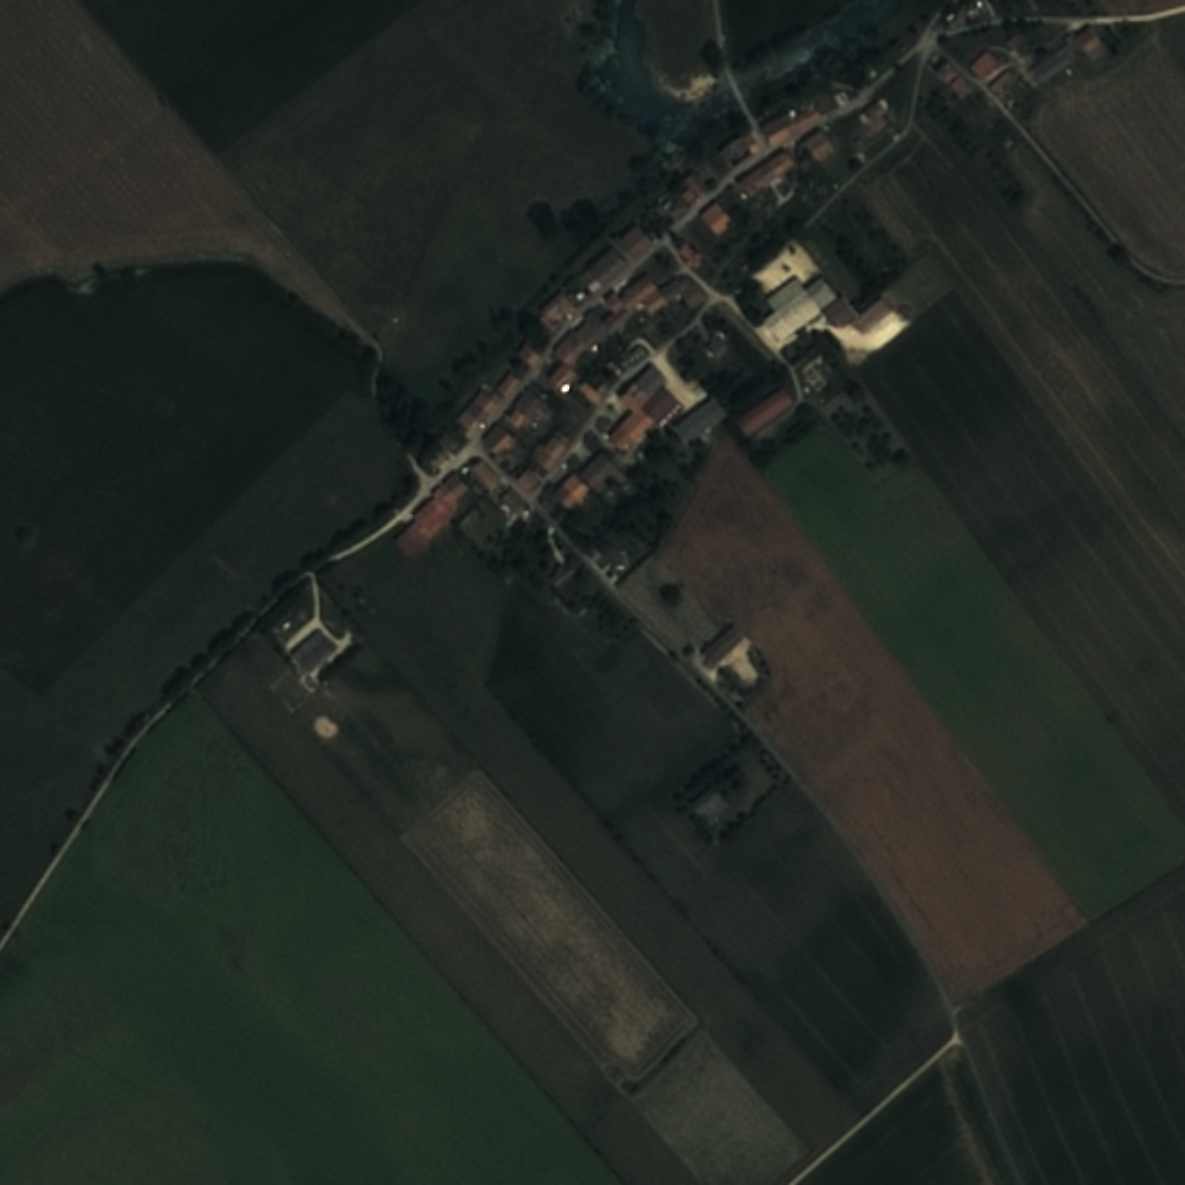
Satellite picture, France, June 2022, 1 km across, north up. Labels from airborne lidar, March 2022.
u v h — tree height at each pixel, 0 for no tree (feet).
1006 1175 0
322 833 0
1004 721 0
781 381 26
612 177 0
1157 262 0
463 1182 0
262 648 0
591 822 0
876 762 0
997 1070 0
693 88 0
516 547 22
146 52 0
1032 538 0
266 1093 0
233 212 0
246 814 0
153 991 0
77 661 0
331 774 0
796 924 0
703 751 0
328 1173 0
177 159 0
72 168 0
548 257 0
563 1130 0
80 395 0
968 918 0
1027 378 0
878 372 0
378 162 0
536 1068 0
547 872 0
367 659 0
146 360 0
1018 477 0
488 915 0
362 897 0
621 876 0
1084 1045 0
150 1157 0
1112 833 0
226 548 0
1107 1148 0
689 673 0
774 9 0
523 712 0
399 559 0
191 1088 0
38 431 0
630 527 24
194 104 0
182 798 0
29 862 0
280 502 0
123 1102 0
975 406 0
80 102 0
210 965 0
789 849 0
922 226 0
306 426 0
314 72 0
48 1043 0
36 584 0
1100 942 0
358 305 0
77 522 0
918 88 0
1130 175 0
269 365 0
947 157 0
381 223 0
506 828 0
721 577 0
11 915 0
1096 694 0
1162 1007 0
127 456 0
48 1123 0
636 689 0
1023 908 0
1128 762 0
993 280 0
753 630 0
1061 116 0
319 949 0
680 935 0
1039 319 0
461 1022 0
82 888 0
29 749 0
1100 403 0
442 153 0
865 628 0
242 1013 0
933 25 0
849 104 0
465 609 0
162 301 0
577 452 0
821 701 0
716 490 0
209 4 0
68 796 0
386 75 0
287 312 0
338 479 0
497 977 0
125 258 0
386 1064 0
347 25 0
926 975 0
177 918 0
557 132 0
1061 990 0
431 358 0
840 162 0
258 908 0
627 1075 0
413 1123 0
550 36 0
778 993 0
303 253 0
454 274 0
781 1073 0
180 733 0
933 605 0
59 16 0
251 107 0
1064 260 0
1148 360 0
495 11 0
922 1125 0
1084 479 0
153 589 0
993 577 0
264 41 0
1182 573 0
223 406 0
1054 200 0
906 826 0
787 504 0
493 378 0
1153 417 0
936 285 0
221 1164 0
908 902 0
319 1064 0
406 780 0
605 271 0
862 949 0
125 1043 0
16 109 0
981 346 0
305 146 0
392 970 0
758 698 0
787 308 0
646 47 0
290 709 0
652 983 0
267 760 0
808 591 0
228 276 0
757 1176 0
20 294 0
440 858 0
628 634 0
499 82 0
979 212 0
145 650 0
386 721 0
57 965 0
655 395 0
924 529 0
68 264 0
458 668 0
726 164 0
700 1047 0
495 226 0
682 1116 0
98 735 0
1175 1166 0
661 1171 0
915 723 0
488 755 0
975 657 0
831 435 0
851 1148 0
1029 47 0
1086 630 0
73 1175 0
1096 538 0
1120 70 0
